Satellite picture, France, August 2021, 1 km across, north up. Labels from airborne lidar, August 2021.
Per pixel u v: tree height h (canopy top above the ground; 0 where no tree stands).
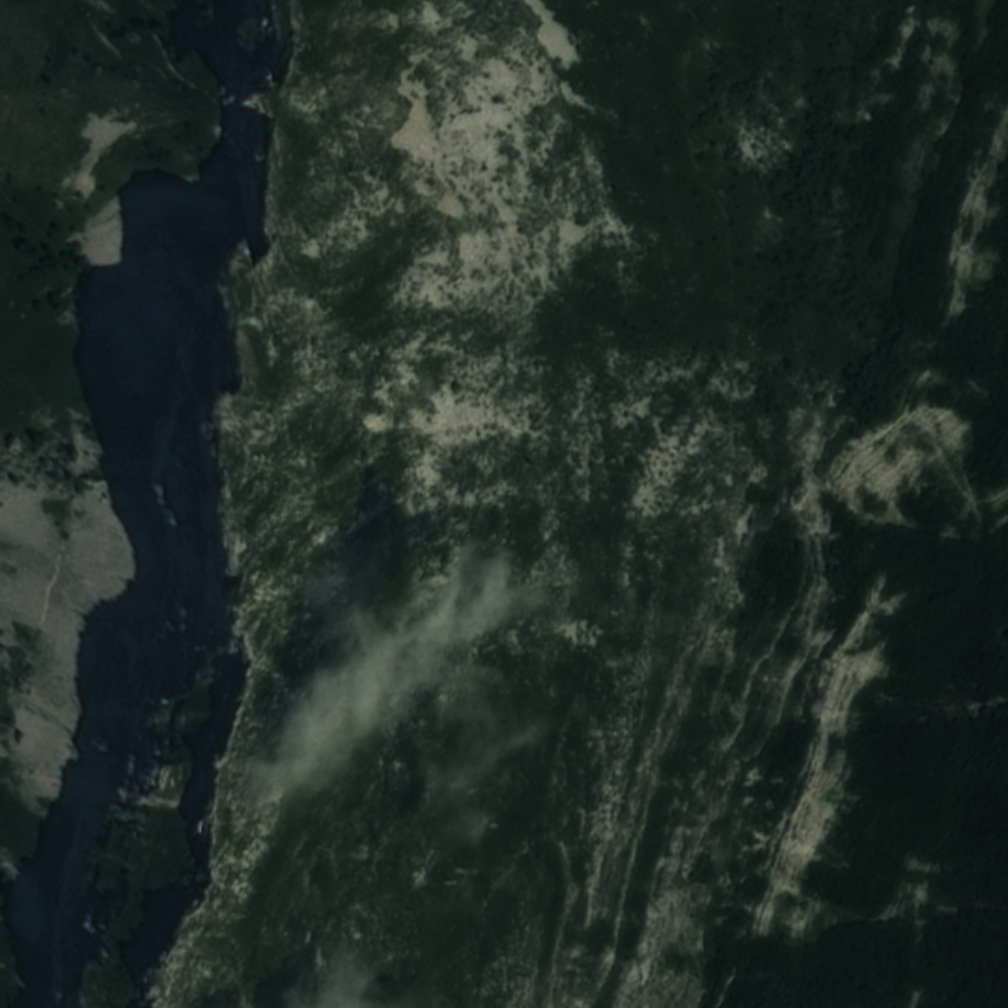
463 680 0
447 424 0
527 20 0
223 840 0
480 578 0
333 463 0
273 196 0
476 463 0
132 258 0
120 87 0
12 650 0
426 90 0
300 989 0
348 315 0
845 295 10
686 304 0
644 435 0
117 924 0
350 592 0
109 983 0
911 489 7
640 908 0
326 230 0
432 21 0
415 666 0
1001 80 7
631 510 0
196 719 0
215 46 0
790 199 13
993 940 17
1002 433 14
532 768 0
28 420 0
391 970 0
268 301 0
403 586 0
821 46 0
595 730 0
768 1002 17
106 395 0
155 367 0
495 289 0
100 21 0
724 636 0
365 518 0
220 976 0
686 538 0
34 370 0
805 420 0
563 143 0
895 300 7
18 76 0
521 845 0
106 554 0
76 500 0
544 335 0
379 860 0
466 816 0
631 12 0
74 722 0
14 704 0
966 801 14
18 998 0
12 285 0
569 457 0
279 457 0
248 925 0
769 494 8
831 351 0
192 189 0
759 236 0
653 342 0
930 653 10
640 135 0
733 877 10
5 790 0
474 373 0
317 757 0
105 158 0
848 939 11
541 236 0
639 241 0
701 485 0
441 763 0
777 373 6
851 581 8
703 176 0
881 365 15
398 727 0
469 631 0
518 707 0
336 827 0
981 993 21
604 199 0
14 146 0
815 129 9
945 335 9
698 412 0
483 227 0
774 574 7
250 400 0
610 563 0
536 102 0
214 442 0
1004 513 9
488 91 0
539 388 0
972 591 13
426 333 0
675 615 0
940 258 9
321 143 0
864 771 10
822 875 12
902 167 10
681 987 0
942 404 9
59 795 0
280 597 0
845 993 21
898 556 9
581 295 0
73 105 0
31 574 0
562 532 0
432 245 0
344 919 0
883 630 7
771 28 0
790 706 0
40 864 0
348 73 0
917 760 14
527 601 0
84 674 0
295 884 0
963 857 14
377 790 0
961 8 6
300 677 0
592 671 0
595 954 0
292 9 0
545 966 0
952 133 11
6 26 0
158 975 0
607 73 0
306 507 0
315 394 0
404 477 0
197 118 0
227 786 0
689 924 0
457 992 0
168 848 0
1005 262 9
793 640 6
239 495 0
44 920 0
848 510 6
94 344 0
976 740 15
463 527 0
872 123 9
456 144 0
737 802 0
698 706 0
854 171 8
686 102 0
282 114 0
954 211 11
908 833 10
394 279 0
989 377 11
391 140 0
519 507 0
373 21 0
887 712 6
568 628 0
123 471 0
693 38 0
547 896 0
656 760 0
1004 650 24
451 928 0
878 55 9
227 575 0
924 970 8
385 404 0
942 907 6
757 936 8
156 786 0
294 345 0
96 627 0
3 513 0
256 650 0
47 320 0
